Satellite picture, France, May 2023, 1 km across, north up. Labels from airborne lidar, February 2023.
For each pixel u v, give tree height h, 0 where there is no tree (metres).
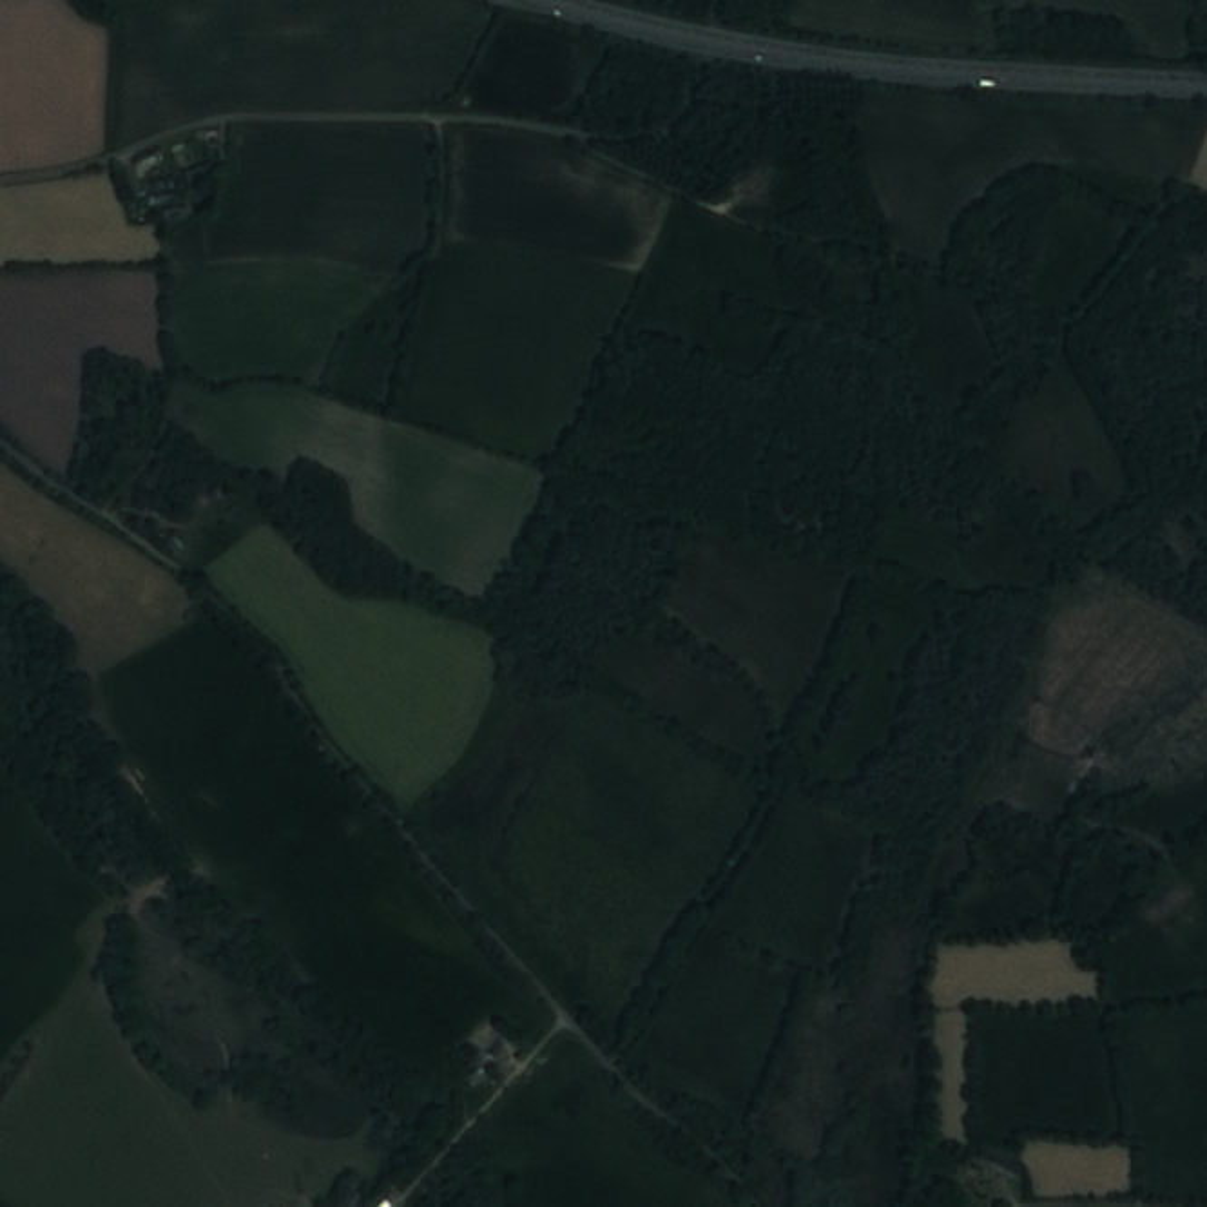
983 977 0
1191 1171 0
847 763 0
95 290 0
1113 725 0
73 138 0
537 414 0
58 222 0
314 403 0
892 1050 0
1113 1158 0
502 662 18
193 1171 0
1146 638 0
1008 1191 0
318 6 0
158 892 0
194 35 0
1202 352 15
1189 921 0
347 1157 0
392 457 0
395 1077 15
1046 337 17
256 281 0
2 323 0
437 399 0
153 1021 0
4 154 0
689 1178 0
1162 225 16
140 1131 0
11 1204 0
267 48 0
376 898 0
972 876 9
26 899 0
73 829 17
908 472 17
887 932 0
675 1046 0
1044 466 0
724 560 0
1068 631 0
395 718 0
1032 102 10
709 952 0
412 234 0
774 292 0
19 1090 0
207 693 0
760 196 0
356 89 0
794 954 0
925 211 0
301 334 0
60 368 0
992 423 10
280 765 0
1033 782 0
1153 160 0
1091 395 10
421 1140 16
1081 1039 0
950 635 13
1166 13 0
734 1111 0
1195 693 0
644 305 0
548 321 0
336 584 15
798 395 18
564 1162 0
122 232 0
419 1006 0
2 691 10
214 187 8
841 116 19
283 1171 0
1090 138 0
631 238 0
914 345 0
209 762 0
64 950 0
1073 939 13
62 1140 0
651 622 14
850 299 6
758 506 13
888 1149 0
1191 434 14
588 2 0
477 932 6
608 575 18
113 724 0
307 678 0
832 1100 0
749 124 12
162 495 7
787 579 0
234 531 0
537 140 0
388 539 0
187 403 0
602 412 18
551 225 0
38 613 17
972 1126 12
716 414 17
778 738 11
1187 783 0
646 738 0
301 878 0
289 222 0
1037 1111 0
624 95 16
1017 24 10
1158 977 0
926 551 0
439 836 0
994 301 13
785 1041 10
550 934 0
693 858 0
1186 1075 0
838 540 16
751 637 0
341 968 0
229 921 13
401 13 0
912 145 0
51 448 0
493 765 0
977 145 0
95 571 0
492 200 0
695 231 0
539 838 0
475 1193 13
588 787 0
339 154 0
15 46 0
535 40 0
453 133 0
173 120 0
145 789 0
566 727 0
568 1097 0
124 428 13
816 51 0
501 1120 0
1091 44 9
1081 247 0
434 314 0
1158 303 16
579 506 16
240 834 0
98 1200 0
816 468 15
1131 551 17
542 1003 6
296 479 15
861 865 0
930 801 13
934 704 20
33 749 19
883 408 20
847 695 15
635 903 0
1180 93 0
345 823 0
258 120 0
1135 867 15
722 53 0
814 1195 19
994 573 0
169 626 0
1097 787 18
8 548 0
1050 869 0
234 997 0
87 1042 0
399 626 0
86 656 0
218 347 0
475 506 0
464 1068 0
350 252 0
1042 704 0
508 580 17
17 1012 0
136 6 0
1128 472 9
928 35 0
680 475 15
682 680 0
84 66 0
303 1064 0
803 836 0
